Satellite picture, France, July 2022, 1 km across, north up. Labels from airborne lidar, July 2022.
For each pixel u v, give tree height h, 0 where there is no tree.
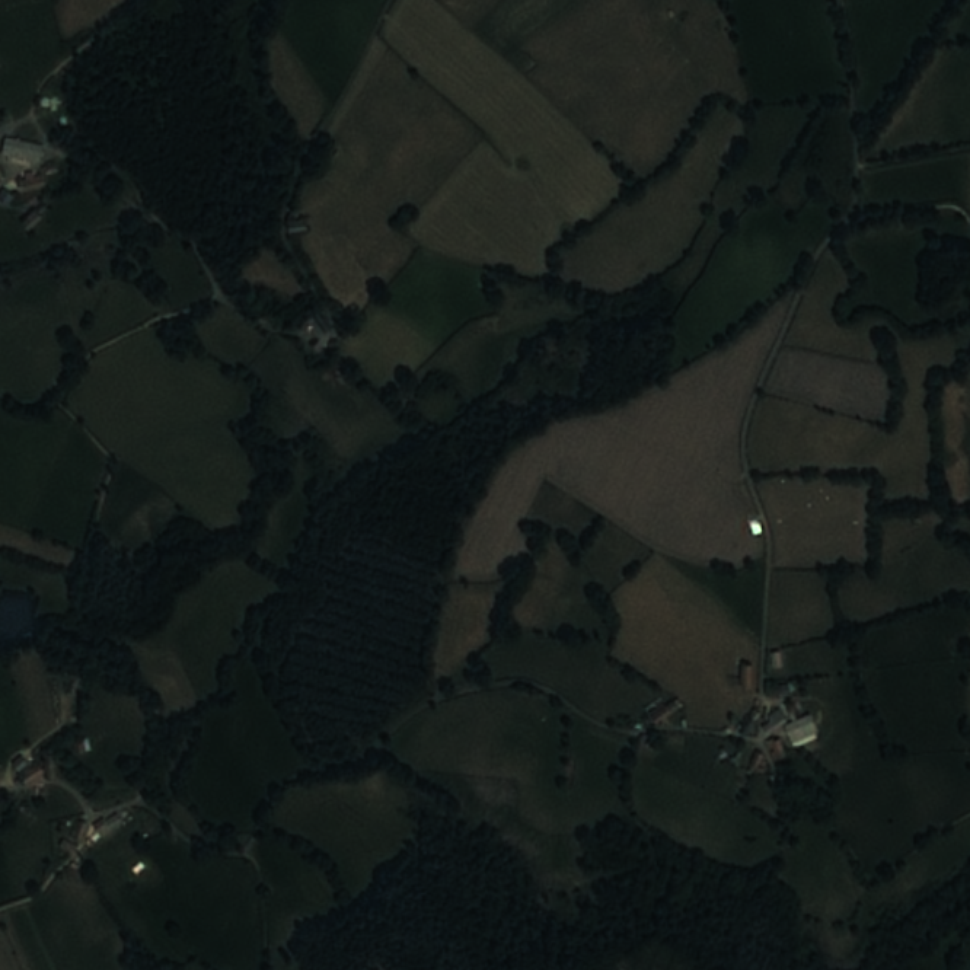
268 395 15
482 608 0
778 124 0
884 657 0
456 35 0
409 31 0
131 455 0
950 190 0
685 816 0
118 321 0
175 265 0
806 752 11
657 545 0
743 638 0
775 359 0
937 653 0
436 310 0
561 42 0
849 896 0
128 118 7
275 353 0
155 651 0
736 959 17
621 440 0
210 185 6
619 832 18
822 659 0
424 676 9
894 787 0
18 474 0
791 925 16
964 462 0
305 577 19
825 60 0
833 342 0
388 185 0
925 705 0
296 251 7
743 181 0
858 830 0
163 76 9
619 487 0
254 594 0
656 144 0
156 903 0
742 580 0
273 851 0
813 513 0
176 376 0
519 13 0
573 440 0
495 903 22
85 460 0
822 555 0
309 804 0
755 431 0
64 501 0
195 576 26
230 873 0
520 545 0
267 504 18
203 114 9
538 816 0
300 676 15
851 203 0
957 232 0
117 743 0
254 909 0
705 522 0
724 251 0
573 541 15
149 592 22
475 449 14
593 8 0
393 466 16
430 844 20
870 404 0
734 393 0
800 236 0
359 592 12
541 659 0
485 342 0
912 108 0
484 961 19
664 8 0
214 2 8
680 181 0
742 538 0
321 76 0
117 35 8
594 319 20
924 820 0
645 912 8
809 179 0
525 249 0
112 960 0
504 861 19
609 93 0
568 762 12
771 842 0
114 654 17
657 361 18
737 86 0
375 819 0
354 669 13
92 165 23
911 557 0
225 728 0
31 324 0
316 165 14
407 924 22
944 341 0
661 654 0
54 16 0
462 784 0
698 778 0
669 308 7
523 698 0
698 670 0
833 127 0
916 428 0
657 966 0
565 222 0
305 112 0
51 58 0
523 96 0
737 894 20
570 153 0
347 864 0
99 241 0
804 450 0
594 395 19
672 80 0
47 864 11
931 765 0
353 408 0
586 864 19
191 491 0
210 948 0
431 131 0
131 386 0
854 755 0
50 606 0
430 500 11
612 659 7
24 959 0
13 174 0
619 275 0
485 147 0
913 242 0
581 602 0
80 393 0
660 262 0
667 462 0
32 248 0
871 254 0
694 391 0
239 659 9
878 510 18
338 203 0
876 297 0
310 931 19
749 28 0
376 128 0
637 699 0
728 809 0
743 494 0
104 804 0
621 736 0
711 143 0
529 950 17
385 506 11
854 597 0
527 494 0
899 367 15
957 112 0
